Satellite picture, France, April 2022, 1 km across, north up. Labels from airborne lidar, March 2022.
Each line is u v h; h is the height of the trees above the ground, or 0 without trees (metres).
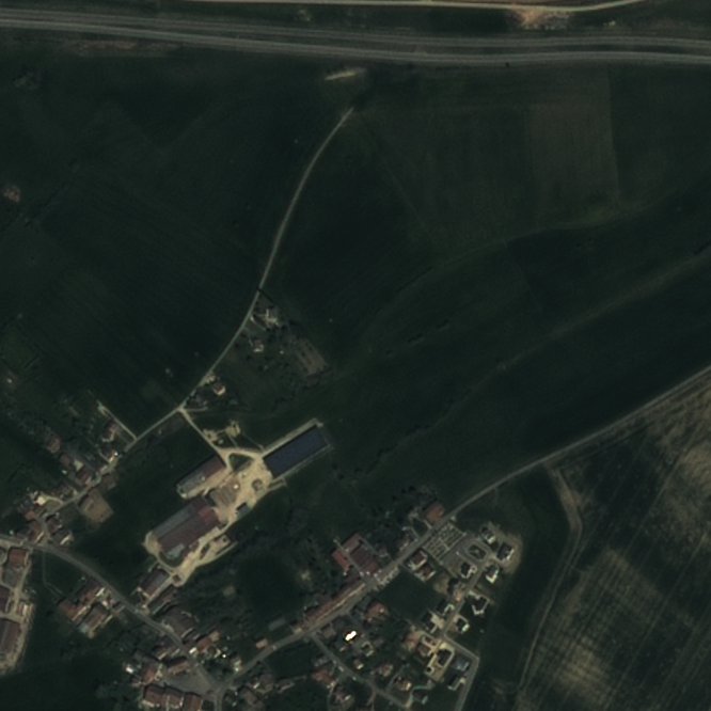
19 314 0
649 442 0
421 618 0
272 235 0
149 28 0
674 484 0
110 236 0
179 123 0
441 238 0
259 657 0
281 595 0
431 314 0
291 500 0
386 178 0
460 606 0
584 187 0
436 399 0
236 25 0
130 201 0
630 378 0
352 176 0
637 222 0
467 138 0
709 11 0
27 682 0
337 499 0
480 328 0
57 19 0
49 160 0
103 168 0
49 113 0
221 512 0
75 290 0
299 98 0
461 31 0
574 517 0
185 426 0
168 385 0
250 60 0
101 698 20
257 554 22
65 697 0
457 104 0
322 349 0
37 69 0
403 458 0
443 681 0
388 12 0
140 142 0
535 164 0
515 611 0
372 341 0
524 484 0
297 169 0
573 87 0
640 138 0
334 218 0
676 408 0
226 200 0
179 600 19
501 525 0
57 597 0
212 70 0
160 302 0
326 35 0
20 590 0
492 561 0
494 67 0
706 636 0
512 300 0
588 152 0
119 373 0
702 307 0
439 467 0
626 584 0
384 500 0
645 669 0
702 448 0
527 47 0
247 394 0
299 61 0
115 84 0
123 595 0
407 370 0
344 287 0
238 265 0
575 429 0
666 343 0
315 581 0
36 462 0
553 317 0
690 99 0
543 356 0
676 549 0
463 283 0
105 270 0
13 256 0
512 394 0
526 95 0
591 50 0
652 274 0
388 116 0
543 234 0
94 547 0
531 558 0
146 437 0
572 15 0
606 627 0
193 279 0
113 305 0
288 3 0
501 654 0
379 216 0
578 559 0
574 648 0
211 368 0
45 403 0
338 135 0
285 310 0
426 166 0
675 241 0
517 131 0
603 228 0
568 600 0
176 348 0
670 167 0
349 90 0
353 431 0
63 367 0
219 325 0
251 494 0
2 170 0
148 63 0
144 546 0
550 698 0
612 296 0
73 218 0
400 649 0
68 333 0
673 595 0
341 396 0
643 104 0
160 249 0
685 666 0
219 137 0
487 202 0
